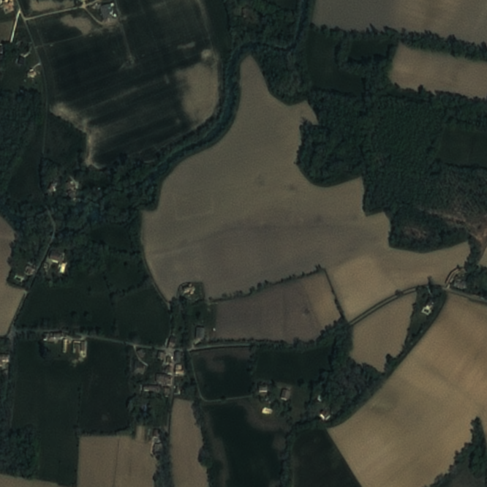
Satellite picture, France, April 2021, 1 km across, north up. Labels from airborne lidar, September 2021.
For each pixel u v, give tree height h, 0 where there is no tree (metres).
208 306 0
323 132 21
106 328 0
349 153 12
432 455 0
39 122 17
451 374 0
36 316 0
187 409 0
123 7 0
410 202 11
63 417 0
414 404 0
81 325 0
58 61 0
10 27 0
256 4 25
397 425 0
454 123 21
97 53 0
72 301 0
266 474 0
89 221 7
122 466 0
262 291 9
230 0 14
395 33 14
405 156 12
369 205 16
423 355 0
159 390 8
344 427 0
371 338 0
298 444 0
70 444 0
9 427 14
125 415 0
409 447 0
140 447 0
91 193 15
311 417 15
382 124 15
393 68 17
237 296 10
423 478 0
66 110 0
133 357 15
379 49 0
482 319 0
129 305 0
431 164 12
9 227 0
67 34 0
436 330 0
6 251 0
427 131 11
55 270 9
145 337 0
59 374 0
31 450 23
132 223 8
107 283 12
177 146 12
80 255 22
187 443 0
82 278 0
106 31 0
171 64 0
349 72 23
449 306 0
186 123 0
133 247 13
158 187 12
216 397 0
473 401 0
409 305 0
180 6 0
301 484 0
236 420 0
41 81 0
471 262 12
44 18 0
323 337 15
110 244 0
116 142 0
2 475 14
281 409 21
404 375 0
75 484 6
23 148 13
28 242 24
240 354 0
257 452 0
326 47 0
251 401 0
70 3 0
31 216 21
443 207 12
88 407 0
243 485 0
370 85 24
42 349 12
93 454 0
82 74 0
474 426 12
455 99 19
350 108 25
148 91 0
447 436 0
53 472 0
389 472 0
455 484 0
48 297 0
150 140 0
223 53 0
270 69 7
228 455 0
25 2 0
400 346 0
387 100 14
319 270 17
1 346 0
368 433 0
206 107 0
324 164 12
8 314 0
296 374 0
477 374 0
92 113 0
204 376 0
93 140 0
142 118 0
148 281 17
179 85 0
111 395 0
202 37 0
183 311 7
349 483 0
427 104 12
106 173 17
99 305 0
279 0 0
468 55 14
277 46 14
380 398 0
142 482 0
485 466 17
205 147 10
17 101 15
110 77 0
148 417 14
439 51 21
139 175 20
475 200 21
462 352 0
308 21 12
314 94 20
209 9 0
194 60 0
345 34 13
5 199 11
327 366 0
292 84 36
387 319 0
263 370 0
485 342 0
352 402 18
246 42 12
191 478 0
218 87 0
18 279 0
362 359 0
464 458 9
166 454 20
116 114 0
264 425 0
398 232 15
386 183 12
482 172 26
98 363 0
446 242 29
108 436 7
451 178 15
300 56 21
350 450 0
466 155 0
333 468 0
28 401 0
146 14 0
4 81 0
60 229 6
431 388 0
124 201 0
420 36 10
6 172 15
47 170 16
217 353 0
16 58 0
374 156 22
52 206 10
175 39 0
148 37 0
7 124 15
